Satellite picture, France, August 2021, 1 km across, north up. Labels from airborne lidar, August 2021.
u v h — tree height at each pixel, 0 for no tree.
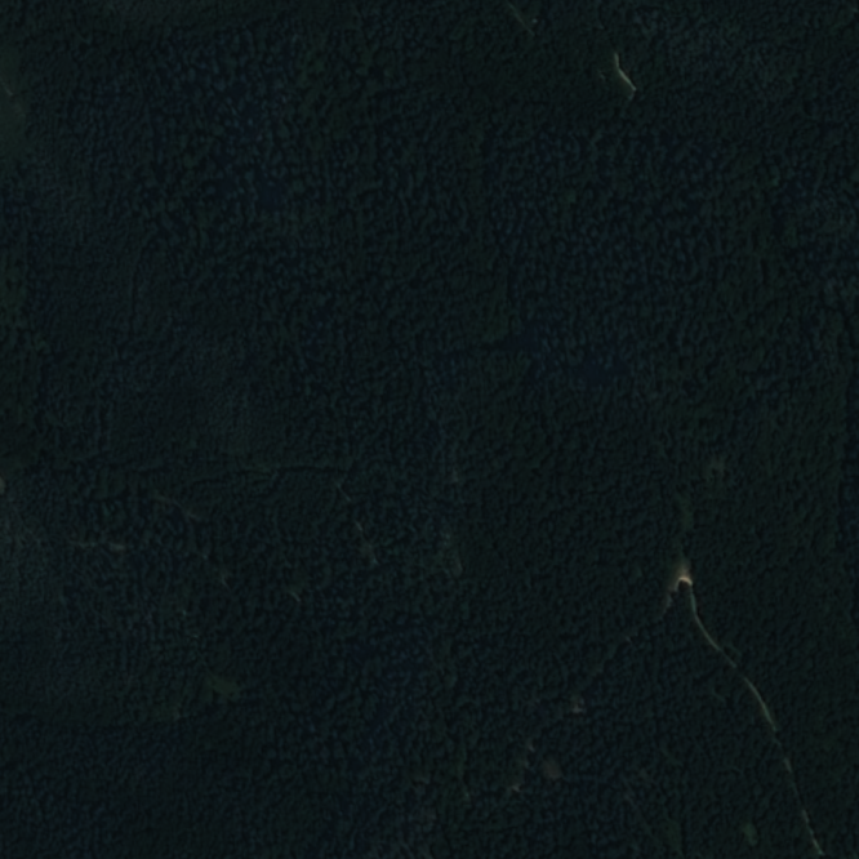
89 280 18
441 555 10
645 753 22
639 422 20
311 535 16
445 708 21
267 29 26
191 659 17
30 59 16
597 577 25
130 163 36
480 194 19
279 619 20
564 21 31
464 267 19
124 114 38
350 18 32
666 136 13
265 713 26
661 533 18
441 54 29
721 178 22
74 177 14
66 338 27
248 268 14
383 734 14
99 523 17
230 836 26
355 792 16
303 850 26
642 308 27
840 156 18
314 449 22
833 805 18
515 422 22
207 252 7
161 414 22
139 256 19
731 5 27
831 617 6
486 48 25
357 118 13
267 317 25
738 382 22
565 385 11
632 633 25
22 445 24
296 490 19
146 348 27
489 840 17
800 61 28
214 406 30
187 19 21
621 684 21
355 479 14
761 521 19
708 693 29
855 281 13
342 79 21
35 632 14
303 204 7
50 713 25
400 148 34
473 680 16
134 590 18
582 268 28
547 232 24
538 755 7
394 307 25
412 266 24
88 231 19
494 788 22
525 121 23
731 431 27
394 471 21
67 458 8
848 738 15
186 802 22
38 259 25
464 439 13
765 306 21
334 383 24
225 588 17
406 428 17
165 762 25
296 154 13
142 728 15
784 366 34
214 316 28
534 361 40
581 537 28
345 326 12
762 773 19
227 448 23
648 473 23
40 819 26
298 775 23
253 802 27
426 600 23
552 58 22
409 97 26
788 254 10
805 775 22
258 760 23
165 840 21
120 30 15
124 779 20
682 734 27
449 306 26
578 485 23
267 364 27
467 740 18
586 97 20
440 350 31
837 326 23
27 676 26
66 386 26
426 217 24
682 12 19
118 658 15
